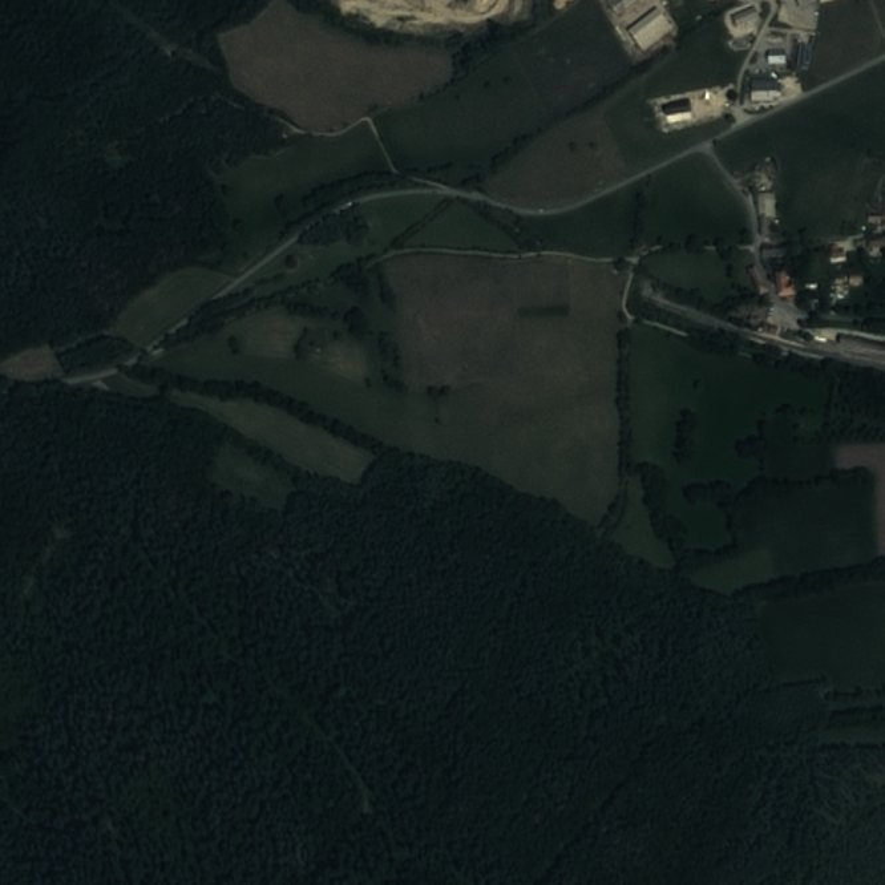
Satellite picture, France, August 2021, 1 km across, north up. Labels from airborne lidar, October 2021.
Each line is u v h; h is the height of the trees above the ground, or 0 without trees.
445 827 25
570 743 24
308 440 0
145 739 25
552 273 0
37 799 23
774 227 10
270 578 25
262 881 11
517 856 20
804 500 0
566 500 0
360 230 13
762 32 0
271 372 0
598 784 24
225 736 35
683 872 25
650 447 0
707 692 23
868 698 14
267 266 0
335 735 28
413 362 0
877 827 7
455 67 7
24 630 11
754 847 16
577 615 26
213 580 21
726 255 12
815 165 0
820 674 0
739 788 16
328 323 0
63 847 25
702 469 0
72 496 22
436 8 0
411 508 21
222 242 11
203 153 12
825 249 6
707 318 0
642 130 0
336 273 7
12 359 0
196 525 22
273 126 13
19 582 25
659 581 17
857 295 0
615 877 21
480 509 24
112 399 16
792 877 11
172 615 14
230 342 7
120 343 15
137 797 13
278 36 0
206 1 20
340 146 0
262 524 24
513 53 0
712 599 22
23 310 20
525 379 0
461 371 0
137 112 12
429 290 0
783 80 0
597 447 0
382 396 0
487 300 0
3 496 24
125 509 24
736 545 12
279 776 12
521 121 0
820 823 18
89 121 9
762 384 0
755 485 10
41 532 23
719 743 13
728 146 0
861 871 6
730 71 0
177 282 0
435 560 26
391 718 10
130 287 17
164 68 9
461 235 0
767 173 0
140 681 24
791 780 20
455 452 0
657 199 0
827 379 13
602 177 0
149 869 21
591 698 21
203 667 19
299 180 0
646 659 25
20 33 26
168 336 12
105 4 13
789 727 15
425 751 13
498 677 20
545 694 20
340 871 31
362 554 26
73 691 29
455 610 27
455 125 0
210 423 16
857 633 0
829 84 0
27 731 31
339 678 26
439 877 16
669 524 23
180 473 17
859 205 0
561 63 0
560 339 0
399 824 27
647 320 7
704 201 0
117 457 21
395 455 17
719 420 0
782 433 0
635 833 23
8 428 24
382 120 0
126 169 11
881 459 0
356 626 26
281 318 0
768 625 0
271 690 18
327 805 10
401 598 27
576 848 25
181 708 14
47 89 16
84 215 13
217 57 9
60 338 17
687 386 0
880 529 0
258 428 0
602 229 0
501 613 24
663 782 22
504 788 27
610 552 12
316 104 0
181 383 18
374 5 0
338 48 0
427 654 28
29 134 10
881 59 0
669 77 0
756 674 25
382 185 6
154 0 12
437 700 27
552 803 20
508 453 0
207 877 19
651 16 0
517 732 22
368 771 27
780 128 0
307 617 31
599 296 0
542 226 0
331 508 22
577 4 0
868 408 16
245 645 19
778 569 0
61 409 23
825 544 0
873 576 14
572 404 0
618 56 0
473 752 25
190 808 7
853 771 23
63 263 23
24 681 17
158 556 21
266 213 0
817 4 0
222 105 14
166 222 23
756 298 15
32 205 14
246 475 0
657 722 28
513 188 0
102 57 15
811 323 13
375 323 0
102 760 16
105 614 19
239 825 26
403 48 0
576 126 0
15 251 20
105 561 24
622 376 11
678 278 0
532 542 19
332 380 0
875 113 0
